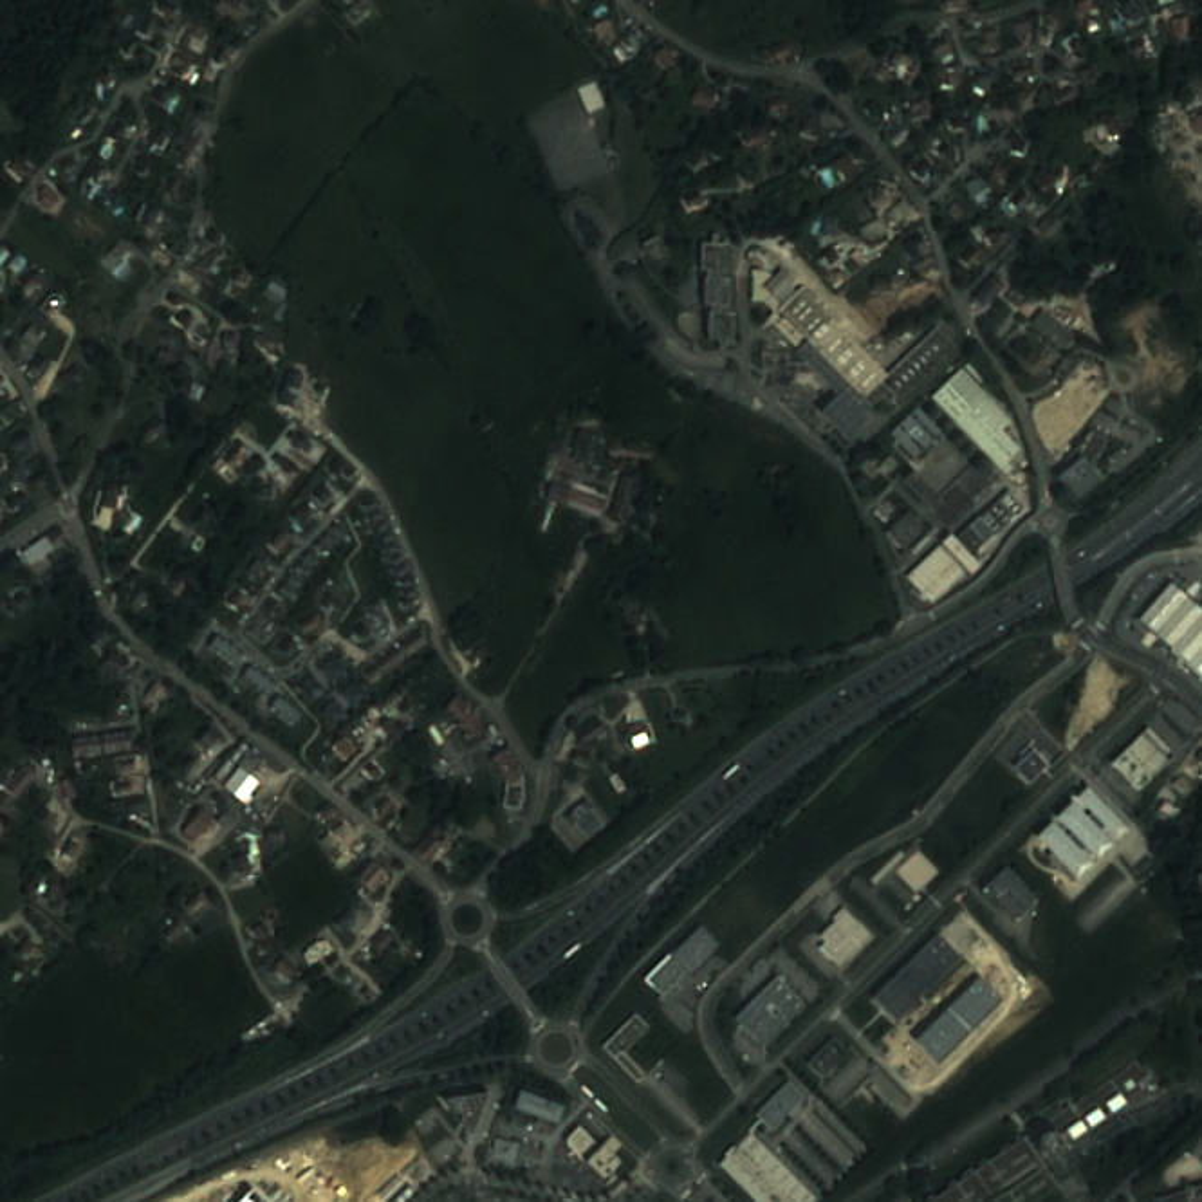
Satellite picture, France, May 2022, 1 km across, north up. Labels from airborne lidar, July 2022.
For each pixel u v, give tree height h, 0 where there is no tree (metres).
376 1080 0
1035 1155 0
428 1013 0
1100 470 6
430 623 0
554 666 0
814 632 0
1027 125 5
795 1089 0
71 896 16
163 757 13
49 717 9
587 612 0
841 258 0
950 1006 9
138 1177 6
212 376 6
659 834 0
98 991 0
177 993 0
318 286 0
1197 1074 0
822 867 0
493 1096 0
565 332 0
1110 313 11
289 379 0
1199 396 11
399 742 8
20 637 0
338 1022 0
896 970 0
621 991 0
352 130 0
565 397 0
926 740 0
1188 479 0
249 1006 0
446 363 7
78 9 12
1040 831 0
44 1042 0
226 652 0
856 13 13
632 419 0
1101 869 0
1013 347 13
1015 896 0
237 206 0
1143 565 0
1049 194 0
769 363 0
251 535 13
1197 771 0
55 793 0
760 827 9
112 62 8
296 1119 0
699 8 12
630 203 0
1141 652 0
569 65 0
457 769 0
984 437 0
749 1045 0
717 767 0
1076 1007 0
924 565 0
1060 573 0
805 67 0
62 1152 12
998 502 0
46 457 5
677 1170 0
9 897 0
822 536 0
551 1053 0
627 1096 0
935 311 20
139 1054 0
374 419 0
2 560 15
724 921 0
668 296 0
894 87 10
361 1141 0
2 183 6
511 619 0
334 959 9
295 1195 0
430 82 6
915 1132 0
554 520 0
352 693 0
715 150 15
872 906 0
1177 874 24
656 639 8
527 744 0
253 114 0
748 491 0
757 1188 0
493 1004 0
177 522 0
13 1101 0
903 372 0
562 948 0
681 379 6
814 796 0
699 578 0
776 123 12
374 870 0
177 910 7
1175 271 9
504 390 0
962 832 0
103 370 14
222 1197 0
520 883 12
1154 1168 10
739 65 0
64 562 10
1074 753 0
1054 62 11
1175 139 0
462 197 0
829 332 0
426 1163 0
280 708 0
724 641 0
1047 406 0
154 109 7
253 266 7
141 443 6
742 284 0
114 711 0
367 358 0
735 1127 0
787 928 0
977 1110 0
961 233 7
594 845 9
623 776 7
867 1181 0
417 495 0
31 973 0
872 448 11
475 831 0
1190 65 23
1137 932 0
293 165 0
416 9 0
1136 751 0
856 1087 0
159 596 15
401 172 0
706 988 0
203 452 11
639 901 0
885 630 11
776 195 7
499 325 0
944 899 0
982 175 8
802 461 0
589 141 0
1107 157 7
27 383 0
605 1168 0
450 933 0
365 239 0
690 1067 0
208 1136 8
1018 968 0
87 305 0
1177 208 0
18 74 16
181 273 0
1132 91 9
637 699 0
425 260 0
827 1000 0
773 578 0
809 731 8
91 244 6
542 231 0
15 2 18
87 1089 0
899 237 6
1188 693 0
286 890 0
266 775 0
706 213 8
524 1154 0
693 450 0
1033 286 18
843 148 7
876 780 0
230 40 9
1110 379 0
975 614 0
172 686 13
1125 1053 0
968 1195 0
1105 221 20
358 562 0
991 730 0
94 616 17
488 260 0
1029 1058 0
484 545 0
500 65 0
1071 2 10
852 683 0
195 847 0
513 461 0
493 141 8
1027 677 0
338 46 0
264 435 0
